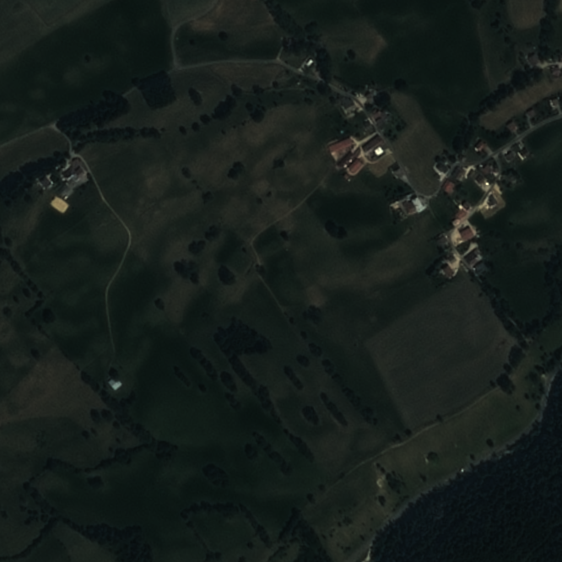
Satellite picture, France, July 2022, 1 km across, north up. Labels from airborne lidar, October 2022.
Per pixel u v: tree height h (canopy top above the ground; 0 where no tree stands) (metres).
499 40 0
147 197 0
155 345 0
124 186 0
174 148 0
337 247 0
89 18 0
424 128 0
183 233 0
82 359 0
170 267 0
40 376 0
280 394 0
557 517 16
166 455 15
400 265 0
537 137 0
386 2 0
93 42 0
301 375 0
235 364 17
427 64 0
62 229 0
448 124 0
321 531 0
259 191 0
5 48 0
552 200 0
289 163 0
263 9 0
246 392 0
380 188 0
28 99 0
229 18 0
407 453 0
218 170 0
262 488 0
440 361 0
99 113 19
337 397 0
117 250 0
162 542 0
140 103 0
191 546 0
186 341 0
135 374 0
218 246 0
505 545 7
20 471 0
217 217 0
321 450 0
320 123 0
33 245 0
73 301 0
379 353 0
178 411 0
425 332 0
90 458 0
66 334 0
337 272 0
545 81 0
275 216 0
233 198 0
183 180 0
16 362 0
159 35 0
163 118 0
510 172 7
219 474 18
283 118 0
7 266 0
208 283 0
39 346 0
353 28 0
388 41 0
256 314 0
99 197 0
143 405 0
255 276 0
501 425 0
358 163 0
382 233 0
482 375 0
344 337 0
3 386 0
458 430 0
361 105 0
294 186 0
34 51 0
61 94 0
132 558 20
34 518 7
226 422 0
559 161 0
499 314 17
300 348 0
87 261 0
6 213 0
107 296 0
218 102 0
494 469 23
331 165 0
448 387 0
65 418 0
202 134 0
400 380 0
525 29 0
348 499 0
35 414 0
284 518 0
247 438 0
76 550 0
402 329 0
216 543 0
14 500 0
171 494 0
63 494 0
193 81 0
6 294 0
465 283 0
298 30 20
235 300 0
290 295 0
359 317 0
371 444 0
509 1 0
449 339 0
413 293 0
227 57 0
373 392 0
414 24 0
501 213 0
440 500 30
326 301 0
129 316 0
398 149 0
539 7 0
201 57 0
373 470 0
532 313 0
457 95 0
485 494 28
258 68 0
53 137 0
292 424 0
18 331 0
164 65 0
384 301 0
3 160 0
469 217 0
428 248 0
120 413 15
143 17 0
